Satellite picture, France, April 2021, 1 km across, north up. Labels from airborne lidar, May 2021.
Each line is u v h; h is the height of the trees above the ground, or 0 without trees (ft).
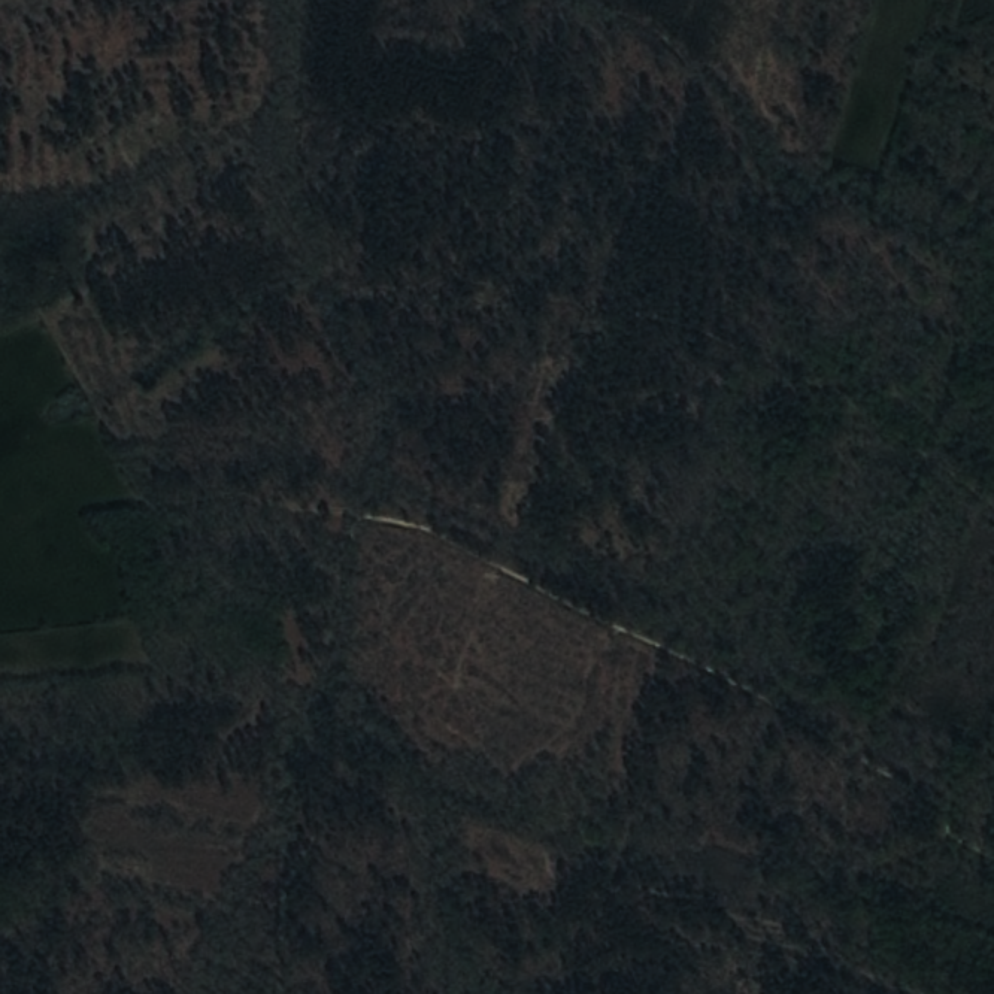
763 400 35
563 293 63
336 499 38
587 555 78
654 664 0
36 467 0
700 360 60
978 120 52
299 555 81
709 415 59
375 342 26
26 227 36
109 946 29
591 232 64
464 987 75
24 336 0
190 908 51
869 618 49
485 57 62
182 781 69
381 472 62
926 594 50
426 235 73
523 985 52
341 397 56
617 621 53
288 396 63
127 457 43
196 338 49
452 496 30
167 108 0
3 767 22
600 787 45
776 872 73
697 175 31
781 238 52
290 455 32
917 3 0
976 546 20
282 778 52
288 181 67
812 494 46
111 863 0
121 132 68
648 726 77
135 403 0
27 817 63
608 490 86
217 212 74
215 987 58
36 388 0
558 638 0
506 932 75
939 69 26
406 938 32
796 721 50
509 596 0
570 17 57
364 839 37
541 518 46
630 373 67
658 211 70
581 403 88
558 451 84
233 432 38
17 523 0
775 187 42
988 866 55
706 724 23
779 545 51
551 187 57
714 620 60
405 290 58
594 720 0
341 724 74
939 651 36
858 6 29
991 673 23
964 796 39
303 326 65
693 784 38
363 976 60
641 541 86
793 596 45
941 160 43
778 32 52
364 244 32
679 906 59
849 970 31
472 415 67
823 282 40
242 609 58
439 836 50
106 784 73
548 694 0
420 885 37
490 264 57
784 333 31
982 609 25
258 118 36
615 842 42
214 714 68
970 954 59
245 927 53
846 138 0
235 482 46
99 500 0
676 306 57
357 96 60
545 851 49
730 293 49
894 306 46
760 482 49
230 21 64
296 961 56
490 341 27
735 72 48
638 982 52
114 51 0
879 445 38
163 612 73
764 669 42
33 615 0
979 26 30
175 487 38
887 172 46
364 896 35
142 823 38
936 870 29
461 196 63
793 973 50
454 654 25
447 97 61
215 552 68
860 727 60
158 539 48
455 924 69
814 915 33
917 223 58
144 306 75
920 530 50
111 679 51
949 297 0
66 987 40
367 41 52
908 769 30
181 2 51
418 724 34
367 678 27
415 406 58
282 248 57
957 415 72
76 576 0
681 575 46
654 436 87
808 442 59
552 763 35
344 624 62
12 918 44
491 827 29
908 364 43
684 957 56
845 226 30
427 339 53
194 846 0
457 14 50
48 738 43
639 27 21
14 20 0
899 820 31
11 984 49
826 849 44
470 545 62
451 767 51
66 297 39
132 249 80
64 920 67
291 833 45
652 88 66
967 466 79
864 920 37
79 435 0
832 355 47
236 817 0
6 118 68
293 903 60
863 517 45
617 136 57
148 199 36
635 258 65
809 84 55
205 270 63
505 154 69
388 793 61
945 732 30
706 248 73
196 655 37
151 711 31
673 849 49
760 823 52
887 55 0
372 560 28
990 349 86
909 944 63
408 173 52
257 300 61
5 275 37
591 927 29
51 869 49
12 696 44
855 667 102
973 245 73
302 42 44
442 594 0
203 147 62
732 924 60
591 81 52
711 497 56
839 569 94
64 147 52
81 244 35
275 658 56
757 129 79
